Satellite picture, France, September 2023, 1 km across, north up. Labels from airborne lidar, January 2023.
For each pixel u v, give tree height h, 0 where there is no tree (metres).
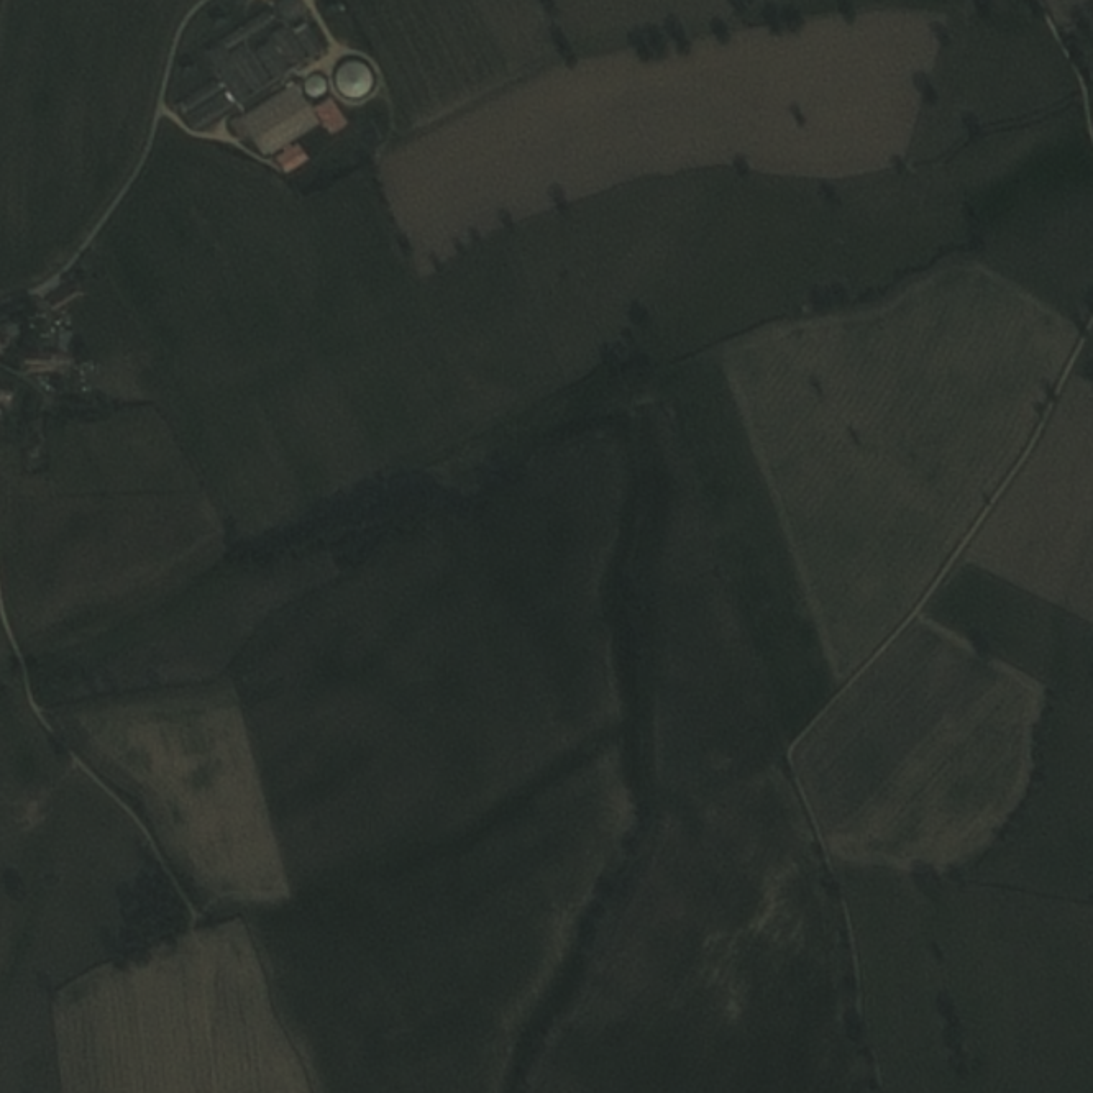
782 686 0
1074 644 0
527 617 0
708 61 0
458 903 0
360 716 0
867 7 0
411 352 0
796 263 0
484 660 0
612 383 0
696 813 0
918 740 0
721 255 0
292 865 0
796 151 0
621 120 0
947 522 0
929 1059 0
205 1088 0
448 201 0
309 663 0
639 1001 0
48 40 0
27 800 0
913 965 0
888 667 0
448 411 0
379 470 0
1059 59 0
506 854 0
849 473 0
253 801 0
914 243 0
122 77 0
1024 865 0
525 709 0
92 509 0
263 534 0
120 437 0
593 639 0
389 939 0
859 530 0
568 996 0
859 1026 17
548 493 0
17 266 0
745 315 0
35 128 0
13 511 0
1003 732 0
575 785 0
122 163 0
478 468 0
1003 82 0
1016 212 0
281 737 0
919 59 0
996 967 0
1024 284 0
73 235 0
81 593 0
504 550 0
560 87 0
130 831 0
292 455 0
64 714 0
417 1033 0
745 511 0
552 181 0
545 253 0
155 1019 0
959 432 0
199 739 0
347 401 0
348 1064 0
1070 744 0
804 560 0
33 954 0
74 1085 0
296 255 0
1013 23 0
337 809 0
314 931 0
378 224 0
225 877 0
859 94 0
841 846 0
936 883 14
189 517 0
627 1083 0
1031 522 0
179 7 0
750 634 0
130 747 0
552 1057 0
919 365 0
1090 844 0
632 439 0
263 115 0
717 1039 0
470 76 0
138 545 0
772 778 0
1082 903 0
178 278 0
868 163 0
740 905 0
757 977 0
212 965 0
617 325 0
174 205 0
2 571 0
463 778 0
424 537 0
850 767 0
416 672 0
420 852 0
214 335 0
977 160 0
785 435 0
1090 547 0
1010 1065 0
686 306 0
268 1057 0
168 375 0
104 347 0
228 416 0
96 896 0
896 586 0
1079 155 0
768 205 0
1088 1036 0
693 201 0
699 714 0
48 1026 0
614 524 0
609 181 0
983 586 0
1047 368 0
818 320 0
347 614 0
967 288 0
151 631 0
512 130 0
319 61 0
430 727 0
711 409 0
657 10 0
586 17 0
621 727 0
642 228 0
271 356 0
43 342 0
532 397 0
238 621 0
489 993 0
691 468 0
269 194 0
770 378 0
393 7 0
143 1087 0
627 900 0
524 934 0
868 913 0
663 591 0
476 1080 0
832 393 0
